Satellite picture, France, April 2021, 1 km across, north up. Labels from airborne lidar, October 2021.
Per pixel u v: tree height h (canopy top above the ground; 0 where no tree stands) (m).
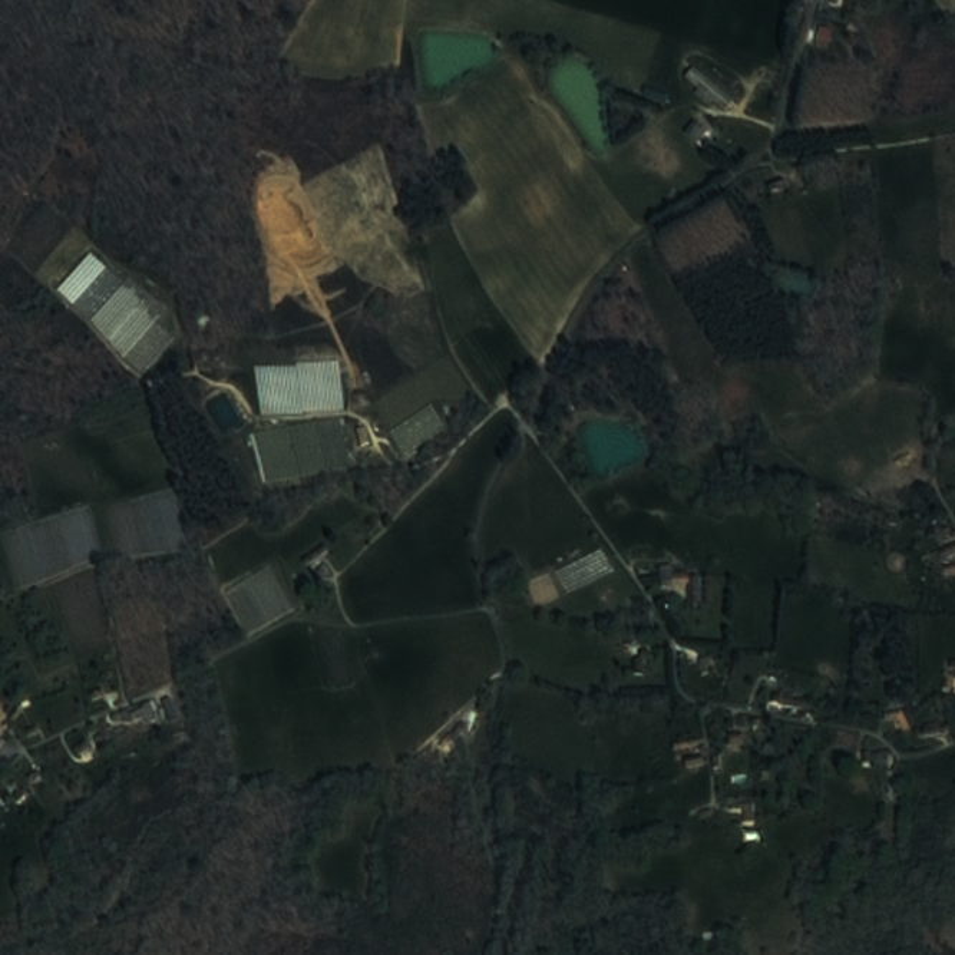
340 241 0
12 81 12
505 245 0
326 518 0
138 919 6
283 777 7
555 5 0
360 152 0
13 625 0
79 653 0
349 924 7
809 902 25
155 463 0
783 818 7
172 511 0
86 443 0
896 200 0
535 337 0
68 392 12
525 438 10
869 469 0
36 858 0
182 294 7
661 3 0
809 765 11
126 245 18
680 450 17
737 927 15
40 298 6
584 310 0
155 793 0
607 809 24
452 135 0
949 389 0
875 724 7
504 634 0
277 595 0
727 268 20
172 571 18
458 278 0
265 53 17
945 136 9
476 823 17
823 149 13
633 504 0
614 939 20
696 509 20
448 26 0
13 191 11
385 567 0
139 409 8
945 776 0
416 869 7
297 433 0
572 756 0
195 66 19
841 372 24
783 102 7
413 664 0
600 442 0
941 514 9
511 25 0
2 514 17
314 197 0
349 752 0
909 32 7
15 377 9
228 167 16
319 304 0
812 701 7
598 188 0
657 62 0
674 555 0
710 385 0
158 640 13
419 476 20
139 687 9
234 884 19
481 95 0
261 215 0
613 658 0
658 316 0
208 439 22
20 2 16
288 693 0
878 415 0
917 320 0
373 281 0
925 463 6
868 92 25
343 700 0
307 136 0
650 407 23
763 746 7
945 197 0
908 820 16
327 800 23
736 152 0
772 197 8
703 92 0
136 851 7
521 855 25
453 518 0
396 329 0
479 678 0
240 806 22
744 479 15
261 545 0
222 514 25
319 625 0
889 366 0
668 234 21
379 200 0
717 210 19
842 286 14
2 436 13
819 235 0
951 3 0
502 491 0
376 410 0
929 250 0
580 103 0
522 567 16
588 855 21
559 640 0
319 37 0
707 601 14
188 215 15
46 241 0
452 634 0
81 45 10
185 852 11
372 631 0
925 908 11
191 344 12
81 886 21
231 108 14
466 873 6
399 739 0
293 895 18
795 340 18
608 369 25
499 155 0
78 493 0
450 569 0
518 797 9
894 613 13
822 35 0
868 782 0
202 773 22
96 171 0
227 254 19
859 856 8
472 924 8
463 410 10
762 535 0
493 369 0
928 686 0
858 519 6
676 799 0
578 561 0
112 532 0
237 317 17
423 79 0
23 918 17
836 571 0
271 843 15
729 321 22
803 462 0
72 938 16
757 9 0
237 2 12
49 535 0
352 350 0
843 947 27
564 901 20
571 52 10
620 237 0
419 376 0
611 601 0
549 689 13
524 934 15
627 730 0
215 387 0
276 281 0
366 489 17
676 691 6
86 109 16
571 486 14
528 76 0
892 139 0
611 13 0
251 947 10
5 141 8
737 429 15
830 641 0
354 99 0
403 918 9
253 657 0
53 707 0
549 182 0
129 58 18
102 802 17
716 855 0
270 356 0
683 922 22
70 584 0
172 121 13
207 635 9
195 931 15
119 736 0
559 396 15
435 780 18
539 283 0
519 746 0
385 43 0
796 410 0
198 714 18
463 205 19
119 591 17
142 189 17
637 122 9
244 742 0
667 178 0
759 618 0
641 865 19
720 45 0
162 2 19
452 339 0
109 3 17
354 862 0
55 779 9
